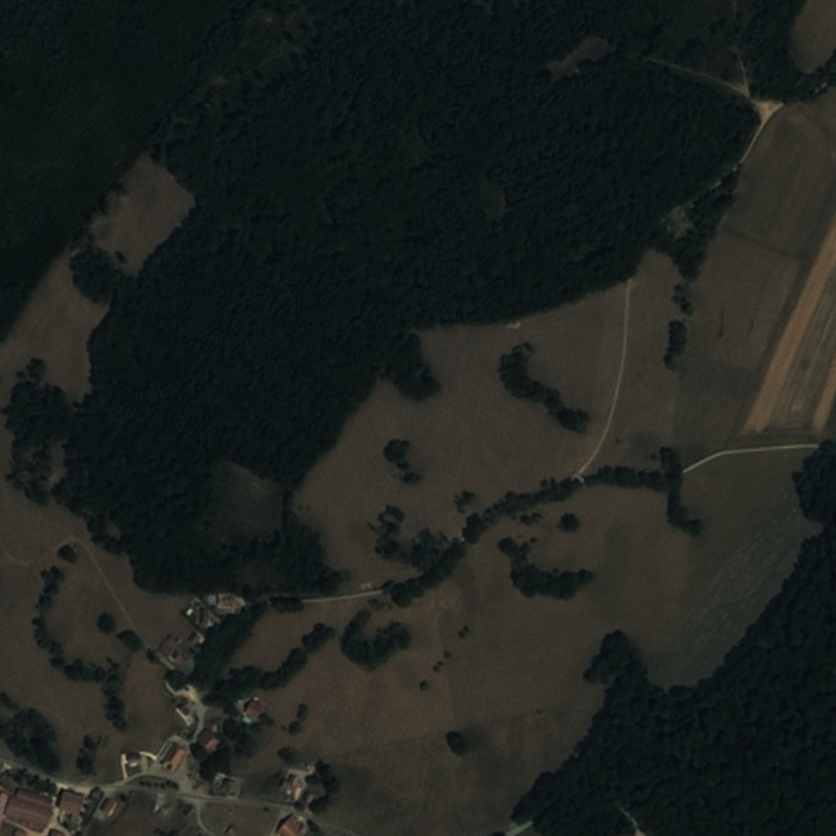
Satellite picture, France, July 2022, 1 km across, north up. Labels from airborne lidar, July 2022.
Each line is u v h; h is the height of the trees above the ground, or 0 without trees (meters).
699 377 0
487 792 0
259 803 0
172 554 21
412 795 0
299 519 22
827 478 27
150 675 0
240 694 18
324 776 22
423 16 21
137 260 0
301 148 24
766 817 32
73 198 5
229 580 13
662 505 0
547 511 0
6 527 0
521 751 0
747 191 0
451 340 0
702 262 18
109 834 0
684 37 0
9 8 8
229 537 0
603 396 0
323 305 20
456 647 0
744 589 0
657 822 28
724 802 29
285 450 20
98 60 9
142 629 0
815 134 0
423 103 20
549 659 0
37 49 11
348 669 0
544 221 22
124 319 19
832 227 0
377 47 17
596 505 0
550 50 24
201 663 20
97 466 20
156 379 20
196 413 21
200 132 16
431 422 0
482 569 0
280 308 19
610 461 0
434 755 0
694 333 0
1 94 6
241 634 19
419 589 15
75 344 0
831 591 33
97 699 0
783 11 26
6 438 0
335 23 17
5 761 0
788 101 15
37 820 0
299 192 18
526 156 20
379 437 0
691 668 0
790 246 0
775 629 32
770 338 0
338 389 21
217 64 15
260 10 16
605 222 18
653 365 0
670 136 18
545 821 25
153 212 0
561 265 22
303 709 6
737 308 0
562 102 24
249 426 21
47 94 10
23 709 0
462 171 18
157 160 19
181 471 15
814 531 0
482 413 0
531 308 21
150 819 0
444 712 0
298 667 13
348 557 0
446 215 21
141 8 10
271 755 0
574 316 0
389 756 0
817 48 0
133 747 0
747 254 0
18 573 0
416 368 10
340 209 23
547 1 25
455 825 0
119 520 24
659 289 0
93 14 9
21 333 0
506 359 8
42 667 0
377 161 19
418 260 18
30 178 6
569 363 0
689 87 18
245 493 0
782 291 0
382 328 20
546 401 7
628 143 23
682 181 22
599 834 27
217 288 23
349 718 0
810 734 25
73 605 0
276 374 20
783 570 0
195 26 8
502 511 14
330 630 8
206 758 20
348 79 21
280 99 23
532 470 0
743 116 25
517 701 0
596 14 22
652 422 0
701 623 0
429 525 0
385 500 0
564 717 0
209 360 20
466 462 0
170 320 20
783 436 0
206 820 0
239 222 16
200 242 22
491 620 0
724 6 0
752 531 0
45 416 26
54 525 0
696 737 34
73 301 0
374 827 0
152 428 22
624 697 30
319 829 6
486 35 26
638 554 0
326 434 20
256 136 18
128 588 0
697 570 0
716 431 0
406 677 0
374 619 0
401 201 17
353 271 18
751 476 0
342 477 0
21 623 0
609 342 0
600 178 23
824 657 33
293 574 13
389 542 8
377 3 24
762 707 30
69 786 0
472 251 17
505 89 19
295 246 17
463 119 19
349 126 20
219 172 23
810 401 0
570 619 0
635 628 0
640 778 33
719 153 14
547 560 0
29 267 6
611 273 19
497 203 0
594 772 24
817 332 0
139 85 6
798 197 0
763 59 16
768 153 0
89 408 16
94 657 0
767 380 0
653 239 17
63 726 0
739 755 31
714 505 0
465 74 20
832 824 32
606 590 0
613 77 13
